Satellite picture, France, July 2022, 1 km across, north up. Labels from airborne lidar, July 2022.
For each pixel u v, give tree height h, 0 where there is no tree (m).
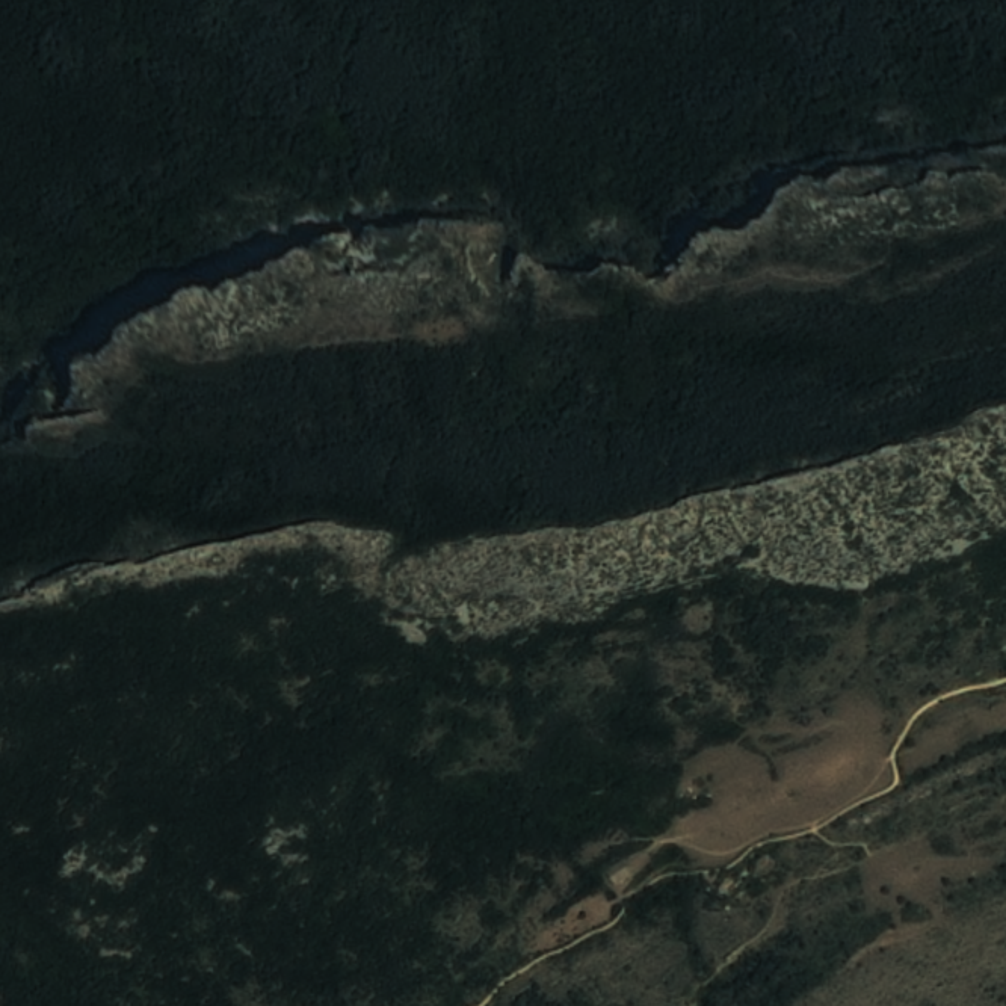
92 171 16
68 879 6
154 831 10
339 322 0
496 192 7
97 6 11
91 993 8
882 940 0
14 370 6
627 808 9
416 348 10
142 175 12
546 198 10
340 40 19
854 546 9
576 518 7
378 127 19
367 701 9
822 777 0
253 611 9
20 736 8
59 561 6
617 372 8
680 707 9
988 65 15
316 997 6
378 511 11
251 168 10
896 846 0
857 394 12
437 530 11
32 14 10
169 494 9
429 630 8
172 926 9
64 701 9
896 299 8
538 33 10
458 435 12
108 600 14
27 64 10
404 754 10
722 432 16
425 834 8
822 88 21
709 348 10
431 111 20
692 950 6
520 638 11
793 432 18
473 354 13
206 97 13
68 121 14
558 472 18
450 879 11
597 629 11
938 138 11
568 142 11
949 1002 0
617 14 11
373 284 0
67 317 7
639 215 12
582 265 13
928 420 7
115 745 7
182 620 8
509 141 11
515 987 0
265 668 11
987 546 9
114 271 6
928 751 0
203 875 9
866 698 0
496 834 10
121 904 7
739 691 6
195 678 8
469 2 9
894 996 0
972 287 7
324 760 13
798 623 7
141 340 0
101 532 8
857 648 0
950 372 9
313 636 12
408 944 6
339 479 14
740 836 0
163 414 6
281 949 7
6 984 7
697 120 8
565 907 8
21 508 10
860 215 0
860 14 20
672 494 9
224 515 16
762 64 14
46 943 8
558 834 8
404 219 7
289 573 8
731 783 0
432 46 15
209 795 12
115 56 7
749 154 9
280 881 7
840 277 0
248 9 12
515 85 10
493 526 9
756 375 14
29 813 7
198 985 8
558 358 7
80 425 0
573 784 10
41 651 10
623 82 11
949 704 0
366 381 15
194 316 0
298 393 18
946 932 0
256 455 9
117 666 9
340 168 13
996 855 0
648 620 9
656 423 9
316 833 10
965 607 6
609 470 17
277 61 17
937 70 9
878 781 0
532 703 9
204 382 10
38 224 14
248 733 7
